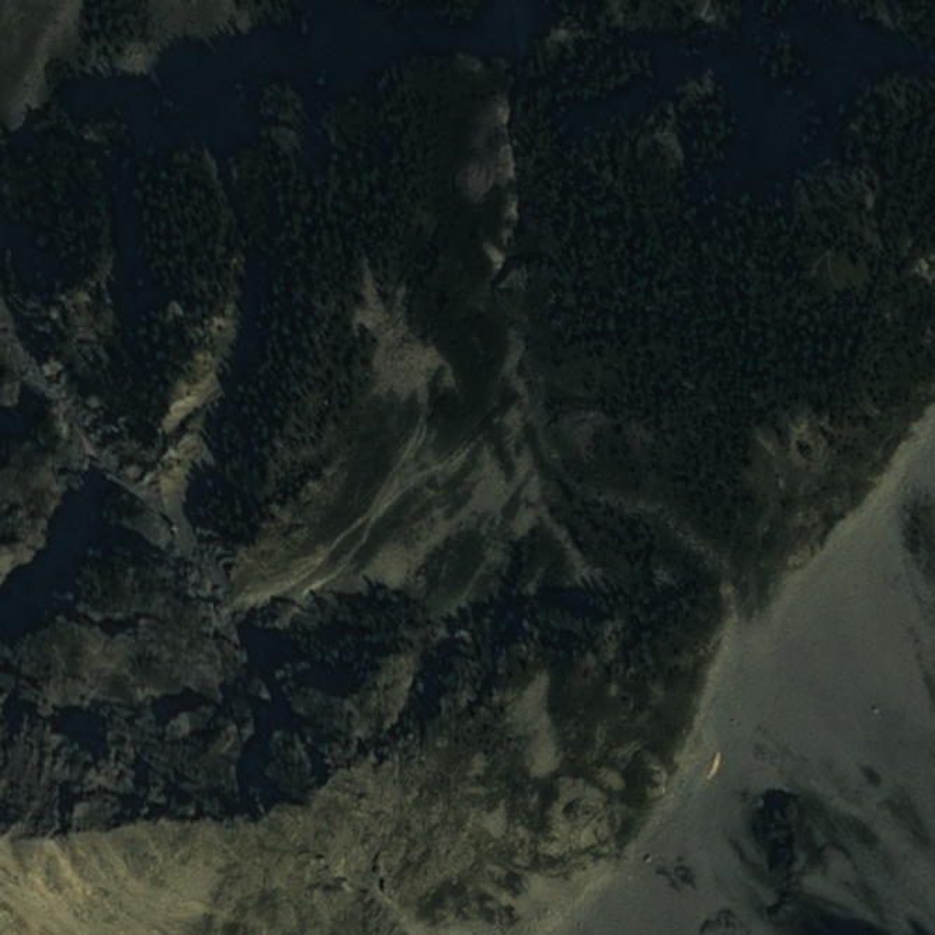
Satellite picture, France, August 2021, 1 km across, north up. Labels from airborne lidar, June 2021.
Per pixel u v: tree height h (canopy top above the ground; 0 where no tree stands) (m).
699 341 12
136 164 10
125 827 0
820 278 0
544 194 0
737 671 0
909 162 8
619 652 0
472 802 0
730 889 0
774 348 18
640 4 13
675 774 0
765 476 0
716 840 0
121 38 15
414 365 0
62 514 0
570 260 10
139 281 20
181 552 0
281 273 7
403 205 17
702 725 0
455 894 0
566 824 0
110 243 6
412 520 0
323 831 0
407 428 0
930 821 0
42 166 7
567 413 0
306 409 20
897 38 7
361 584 0
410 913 0
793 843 0
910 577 0
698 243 8
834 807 0
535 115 8
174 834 0
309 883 0
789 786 0
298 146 0
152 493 0
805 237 20
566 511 0
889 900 0
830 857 0
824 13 20
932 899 0
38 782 0
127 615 0
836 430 10
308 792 0
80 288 8
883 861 0
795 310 14
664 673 0
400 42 20
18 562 0
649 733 0
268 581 0
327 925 0
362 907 0
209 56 0
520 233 8
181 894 0
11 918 0
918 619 0
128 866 0
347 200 7
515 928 0
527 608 17
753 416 11
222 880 0
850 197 10
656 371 10
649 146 0
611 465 0
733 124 13
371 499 0
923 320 9
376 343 12
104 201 6
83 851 0
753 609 0
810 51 6
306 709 0
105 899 0
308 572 0
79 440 0
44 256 8
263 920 0
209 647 0
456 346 6
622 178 21
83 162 6
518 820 0
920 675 0
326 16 12
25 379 0
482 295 0
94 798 0
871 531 0
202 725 0
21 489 0
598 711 0
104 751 0
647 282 21
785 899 0
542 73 11
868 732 0
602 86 14
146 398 22
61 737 0
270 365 22
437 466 0
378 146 7
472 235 6
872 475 0
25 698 0
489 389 0
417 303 12
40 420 5
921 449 0
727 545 0
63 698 0
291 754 0
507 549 0
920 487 0
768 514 0
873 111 13
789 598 0
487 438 0
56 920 0
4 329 0
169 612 0
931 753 0
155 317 12
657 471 9
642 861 0
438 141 8
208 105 0
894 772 0
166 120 15
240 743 0
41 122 7
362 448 0
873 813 0
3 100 0
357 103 30
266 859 0
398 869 0
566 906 0
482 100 6
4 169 7
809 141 22
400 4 15
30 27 0
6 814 0
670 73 6
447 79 6
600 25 21
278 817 0
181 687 0
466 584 0
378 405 0
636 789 0
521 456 0
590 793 0
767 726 0
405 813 0
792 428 0
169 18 0
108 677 0
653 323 8
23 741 0
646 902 0
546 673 0
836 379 9
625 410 11
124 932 0
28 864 0
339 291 16
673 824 0
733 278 15
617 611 16
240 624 0
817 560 0
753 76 6
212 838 0
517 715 0
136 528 0
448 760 0
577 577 0
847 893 0
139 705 0
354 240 6
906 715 0
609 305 10
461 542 0
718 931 0
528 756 0
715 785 0
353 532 0
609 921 0
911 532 0
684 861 0
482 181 0
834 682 0
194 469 0
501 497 0
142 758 0
